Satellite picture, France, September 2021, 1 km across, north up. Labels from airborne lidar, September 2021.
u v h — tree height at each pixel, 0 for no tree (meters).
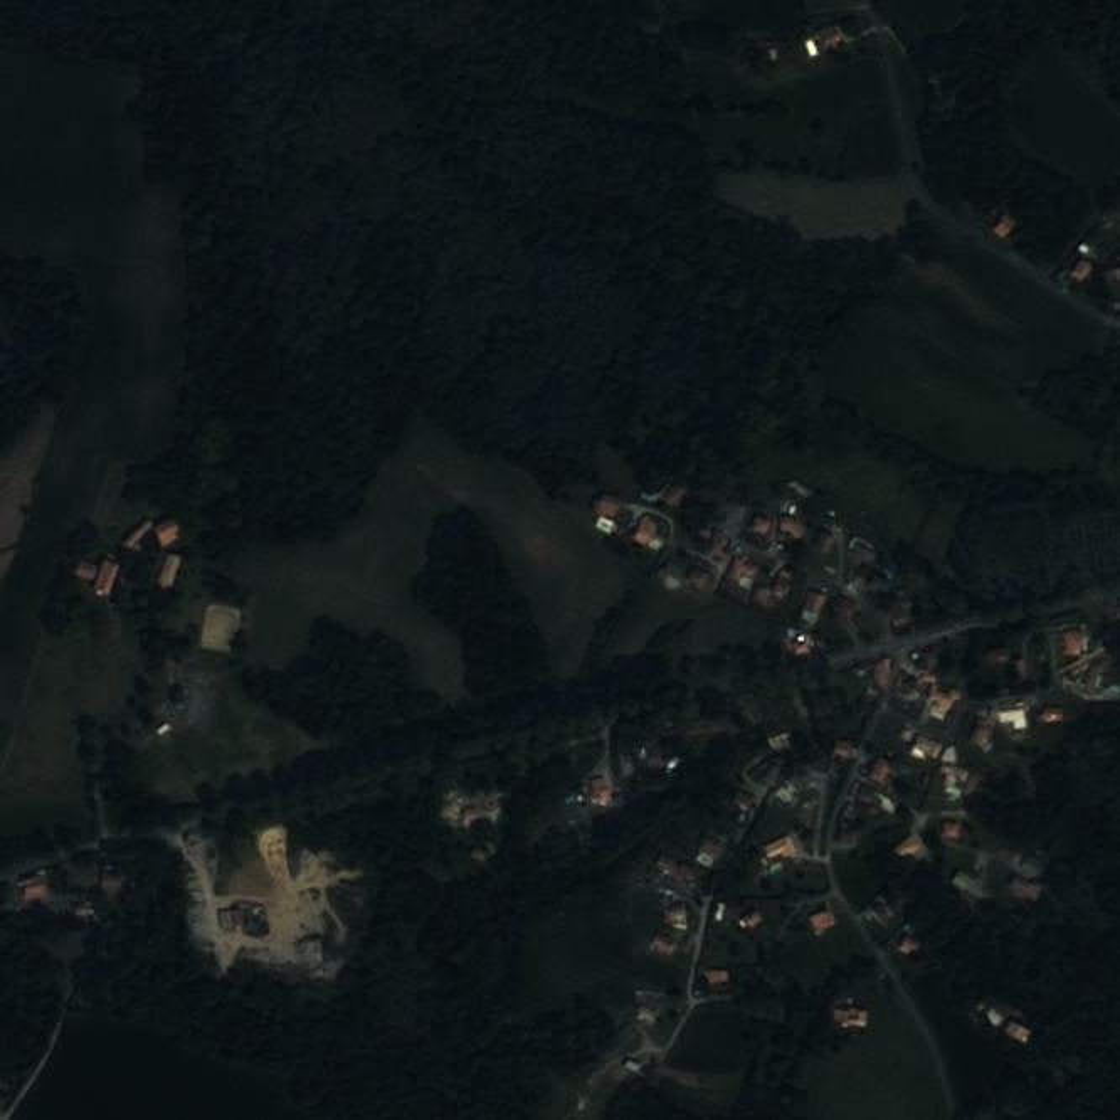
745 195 0
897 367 0
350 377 13
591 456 18
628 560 13
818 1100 0
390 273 14
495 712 8
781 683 29
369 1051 18
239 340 25
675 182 22
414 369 16
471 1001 15
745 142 0
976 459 0
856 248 12
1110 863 22
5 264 17
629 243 21
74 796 0
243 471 14
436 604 18
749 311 17
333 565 0
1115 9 11
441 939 21
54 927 23
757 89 0
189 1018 17
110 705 0
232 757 0
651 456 17
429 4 17
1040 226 21
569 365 22
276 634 0
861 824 10
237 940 0
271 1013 9
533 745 31
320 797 28
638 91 23
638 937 0
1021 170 21
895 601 9
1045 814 20
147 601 13
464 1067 14
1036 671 0
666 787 13
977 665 10
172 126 16
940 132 25
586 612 0
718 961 0
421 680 0
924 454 7
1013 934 17
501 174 20
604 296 21
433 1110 16
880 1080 0
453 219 14
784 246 17
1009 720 0
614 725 26
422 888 18
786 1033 21
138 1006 29
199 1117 0
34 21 16
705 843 0
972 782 0
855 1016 0
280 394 25
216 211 12
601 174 21
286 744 0
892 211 0
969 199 20
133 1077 0
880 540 0
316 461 20
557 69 22
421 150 15
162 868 38
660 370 25
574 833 0
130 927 11
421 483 0
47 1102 0
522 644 26
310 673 21
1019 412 0
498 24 14
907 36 9
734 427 30
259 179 8
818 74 0
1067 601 22
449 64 19
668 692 15
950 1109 0
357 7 17
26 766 0
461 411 19
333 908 0
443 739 21
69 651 0
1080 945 23
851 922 0
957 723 0
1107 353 7
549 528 0
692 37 18
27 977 12
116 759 19
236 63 24
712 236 6
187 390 7
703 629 0
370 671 17
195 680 0
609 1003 0
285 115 22
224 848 0
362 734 9
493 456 17
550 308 19
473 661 17
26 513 8
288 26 17
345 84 16
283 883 0
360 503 14
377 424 14
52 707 0
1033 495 21
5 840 0
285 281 11
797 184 0
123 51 16
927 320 0
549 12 16
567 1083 0
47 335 21
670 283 19
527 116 20
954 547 0
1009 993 22
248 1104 0
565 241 17
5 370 27
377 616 0
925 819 0
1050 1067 15
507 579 18
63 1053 0
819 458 0
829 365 0
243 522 21
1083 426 16
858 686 0
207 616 0
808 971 0
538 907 8
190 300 8
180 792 0
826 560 0
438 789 13
